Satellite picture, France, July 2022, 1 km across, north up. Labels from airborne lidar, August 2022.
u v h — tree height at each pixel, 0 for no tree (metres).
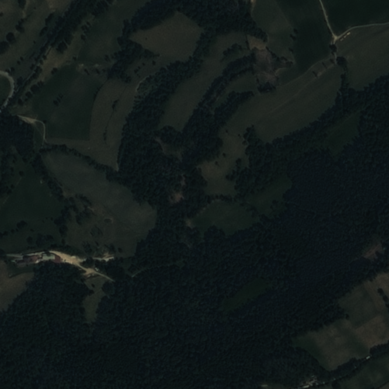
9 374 24
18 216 0
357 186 25
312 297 15
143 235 0
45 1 0
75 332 26
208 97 17
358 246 27
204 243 18
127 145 15
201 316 33
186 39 0
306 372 11
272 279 29
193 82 0
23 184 0
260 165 8
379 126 24
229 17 23
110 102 0
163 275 11
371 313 0
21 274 0
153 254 17
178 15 0
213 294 31
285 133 0
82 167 0
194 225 0
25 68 0
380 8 0
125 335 15
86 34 15
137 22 21
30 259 0
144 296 32
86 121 0
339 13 0
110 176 20
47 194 0
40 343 15
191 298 27
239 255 30
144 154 11
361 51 0
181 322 27
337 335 0
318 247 27
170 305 28
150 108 21
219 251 28
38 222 0
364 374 0
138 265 8
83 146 0
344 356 0
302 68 0
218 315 31
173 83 18
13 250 0
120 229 0
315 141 24
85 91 0
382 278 0
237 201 15
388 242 12
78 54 0
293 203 19
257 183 24
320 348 0
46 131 0
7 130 23
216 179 0
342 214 23
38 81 0
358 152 27
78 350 18
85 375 18
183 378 8
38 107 0
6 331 22
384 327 0
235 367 11
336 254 28
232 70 22
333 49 15
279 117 0
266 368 27
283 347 15
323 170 27
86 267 0
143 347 14
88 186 0
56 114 0
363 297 0
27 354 22
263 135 0
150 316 31
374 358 18
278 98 0
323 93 0
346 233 26
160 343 25
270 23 0
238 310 0
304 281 26
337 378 15
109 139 0
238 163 12
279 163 20
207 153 25
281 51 0
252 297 0
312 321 9
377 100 23
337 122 21
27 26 0
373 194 23
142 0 0
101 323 28
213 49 0
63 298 18
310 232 18
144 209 0
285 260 10
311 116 0
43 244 24
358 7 0
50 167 0
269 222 30
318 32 0
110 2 23
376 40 0
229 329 27
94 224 0
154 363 9
